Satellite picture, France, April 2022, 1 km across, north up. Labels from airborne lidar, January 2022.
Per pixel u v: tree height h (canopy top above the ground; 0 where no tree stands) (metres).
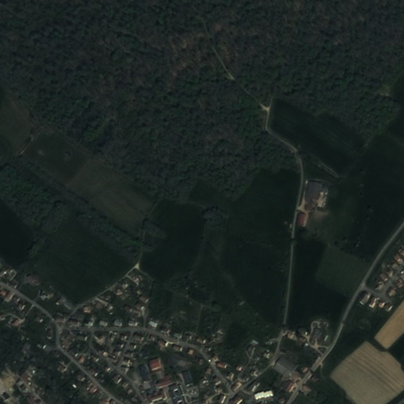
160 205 0
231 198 22
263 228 0
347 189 0
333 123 0
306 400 0
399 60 32
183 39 28
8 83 29
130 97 28
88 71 28
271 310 0
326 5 28
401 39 30
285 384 0
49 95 27
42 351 0
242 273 0
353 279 0
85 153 0
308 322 0
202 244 9
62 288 0
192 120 20
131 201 0
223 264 0
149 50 25
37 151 0
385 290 0
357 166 0
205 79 28
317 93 27
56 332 0
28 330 6
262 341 0
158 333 0
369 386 0
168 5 6
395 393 0
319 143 0
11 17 28
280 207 0
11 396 0
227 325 0
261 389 0
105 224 17
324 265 0
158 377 0
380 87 28
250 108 22
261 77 24
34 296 0
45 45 20
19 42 0
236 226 0
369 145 0
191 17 27
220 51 25
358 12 29
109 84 27
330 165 0
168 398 0
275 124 0
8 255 0
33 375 0
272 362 0
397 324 0
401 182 0
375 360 0
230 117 21
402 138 0
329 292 0
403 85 0
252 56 29
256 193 0
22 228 0
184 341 9
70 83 22
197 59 22
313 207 0
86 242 0
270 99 0
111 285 0
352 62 29
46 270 0
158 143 16
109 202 0
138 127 7
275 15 18
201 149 24
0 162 0
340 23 27
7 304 0
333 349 0
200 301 0
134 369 10
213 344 0
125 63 25
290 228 0
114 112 27
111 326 0
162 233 23
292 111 0
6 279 0
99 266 0
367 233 0
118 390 0
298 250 0
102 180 0
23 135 0
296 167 18
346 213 0
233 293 0
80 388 18
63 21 0
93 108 16
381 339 0
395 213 0
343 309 0
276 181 0
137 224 0
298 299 0
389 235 0
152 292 7
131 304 0
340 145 0
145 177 23
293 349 0
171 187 26
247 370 0
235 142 30
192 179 25
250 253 0
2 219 0
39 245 13
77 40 28
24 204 23
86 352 0
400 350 0
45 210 27
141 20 26
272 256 0
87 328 0
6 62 29
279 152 26
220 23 28
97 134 23
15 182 25
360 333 0
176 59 29
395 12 25
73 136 13
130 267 0
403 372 0
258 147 13
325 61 29
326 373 0
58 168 0
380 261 0
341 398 0
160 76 27
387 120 26
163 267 0
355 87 22
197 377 0
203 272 0
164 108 27
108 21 24
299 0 27
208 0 28
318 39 28
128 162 26
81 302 0
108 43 26
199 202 0
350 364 0
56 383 15
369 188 0
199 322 0
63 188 20
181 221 0
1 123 0
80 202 24
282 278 0
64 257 0
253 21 26
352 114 29
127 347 0
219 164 30
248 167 28
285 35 25
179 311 0
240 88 24
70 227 0
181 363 0
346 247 0
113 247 23
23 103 24
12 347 14
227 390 0
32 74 31
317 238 9
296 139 0
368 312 0
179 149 18
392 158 0
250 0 28
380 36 27
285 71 23
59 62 26
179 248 0
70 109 26
